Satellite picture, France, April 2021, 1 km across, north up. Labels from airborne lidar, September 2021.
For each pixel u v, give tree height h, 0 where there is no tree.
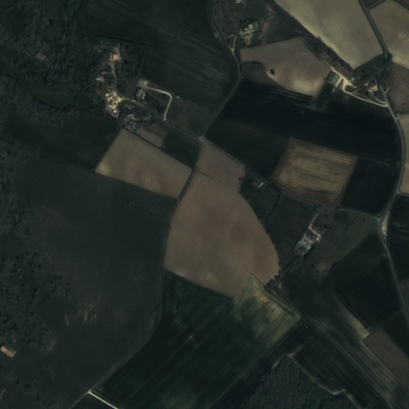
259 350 0
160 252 0
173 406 0
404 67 0
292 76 0
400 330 0
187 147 0
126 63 10
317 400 19
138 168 0
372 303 0
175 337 0
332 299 0
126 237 0
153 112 0
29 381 0
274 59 0
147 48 8
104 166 0
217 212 0
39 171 0
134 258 0
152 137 0
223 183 0
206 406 0
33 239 0
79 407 0
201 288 0
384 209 0
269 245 0
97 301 0
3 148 21
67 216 0
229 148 0
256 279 0
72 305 0
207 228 0
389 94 0
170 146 0
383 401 0
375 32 0
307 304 0
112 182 0
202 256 0
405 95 0
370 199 0
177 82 0
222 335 0
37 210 0
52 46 14
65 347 0
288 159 0
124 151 0
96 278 0
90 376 0
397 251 0
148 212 0
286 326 0
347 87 0
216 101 0
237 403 0
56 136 0
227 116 0
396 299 0
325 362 0
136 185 0
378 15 0
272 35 0
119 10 0
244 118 0
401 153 0
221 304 0
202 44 0
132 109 8
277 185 0
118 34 0
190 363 0
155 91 0
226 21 10
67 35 9
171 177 0
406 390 0
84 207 0
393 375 0
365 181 0
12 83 15
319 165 0
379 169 0
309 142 0
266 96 0
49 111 18
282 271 10
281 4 0
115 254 0
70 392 0
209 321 0
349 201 0
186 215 0
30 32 13
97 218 0
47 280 0
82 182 0
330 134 0
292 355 0
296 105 0
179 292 0
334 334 0
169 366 0
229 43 13
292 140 0
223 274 0
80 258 0
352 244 0
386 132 0
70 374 0
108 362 0
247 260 0
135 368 0
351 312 0
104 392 0
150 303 0
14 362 0
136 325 0
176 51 0
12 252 0
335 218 0
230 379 0
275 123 0
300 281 0
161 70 0
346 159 0
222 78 0
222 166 0
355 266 0
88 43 14
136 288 0
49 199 0
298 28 12
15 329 11
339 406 28
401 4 0
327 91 0
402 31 0
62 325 0
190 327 0
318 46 12
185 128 0
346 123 0
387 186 0
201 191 0
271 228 0
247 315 0
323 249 0
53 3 0
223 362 0
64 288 16
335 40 0
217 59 0
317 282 0
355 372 0
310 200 0
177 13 0
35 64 13
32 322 13
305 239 0
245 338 0
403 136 0
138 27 0
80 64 0
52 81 15
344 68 14
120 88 6
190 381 0
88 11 0
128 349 0
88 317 0
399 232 0
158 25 0
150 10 0
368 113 0
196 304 0
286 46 0
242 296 0
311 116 0
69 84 19
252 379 0
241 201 0
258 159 0
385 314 0
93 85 10
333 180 0
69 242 0
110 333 0
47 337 16
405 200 0
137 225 0
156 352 0
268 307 0
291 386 18
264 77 0
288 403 20
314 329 0
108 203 0
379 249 0
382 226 0
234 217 0
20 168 0
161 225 0
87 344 0
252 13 0
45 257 0
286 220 0
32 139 0
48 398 0
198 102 0
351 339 0
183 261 0
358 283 0
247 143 0
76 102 10
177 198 0
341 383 0
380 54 0
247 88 0
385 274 0
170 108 0
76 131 0
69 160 0
